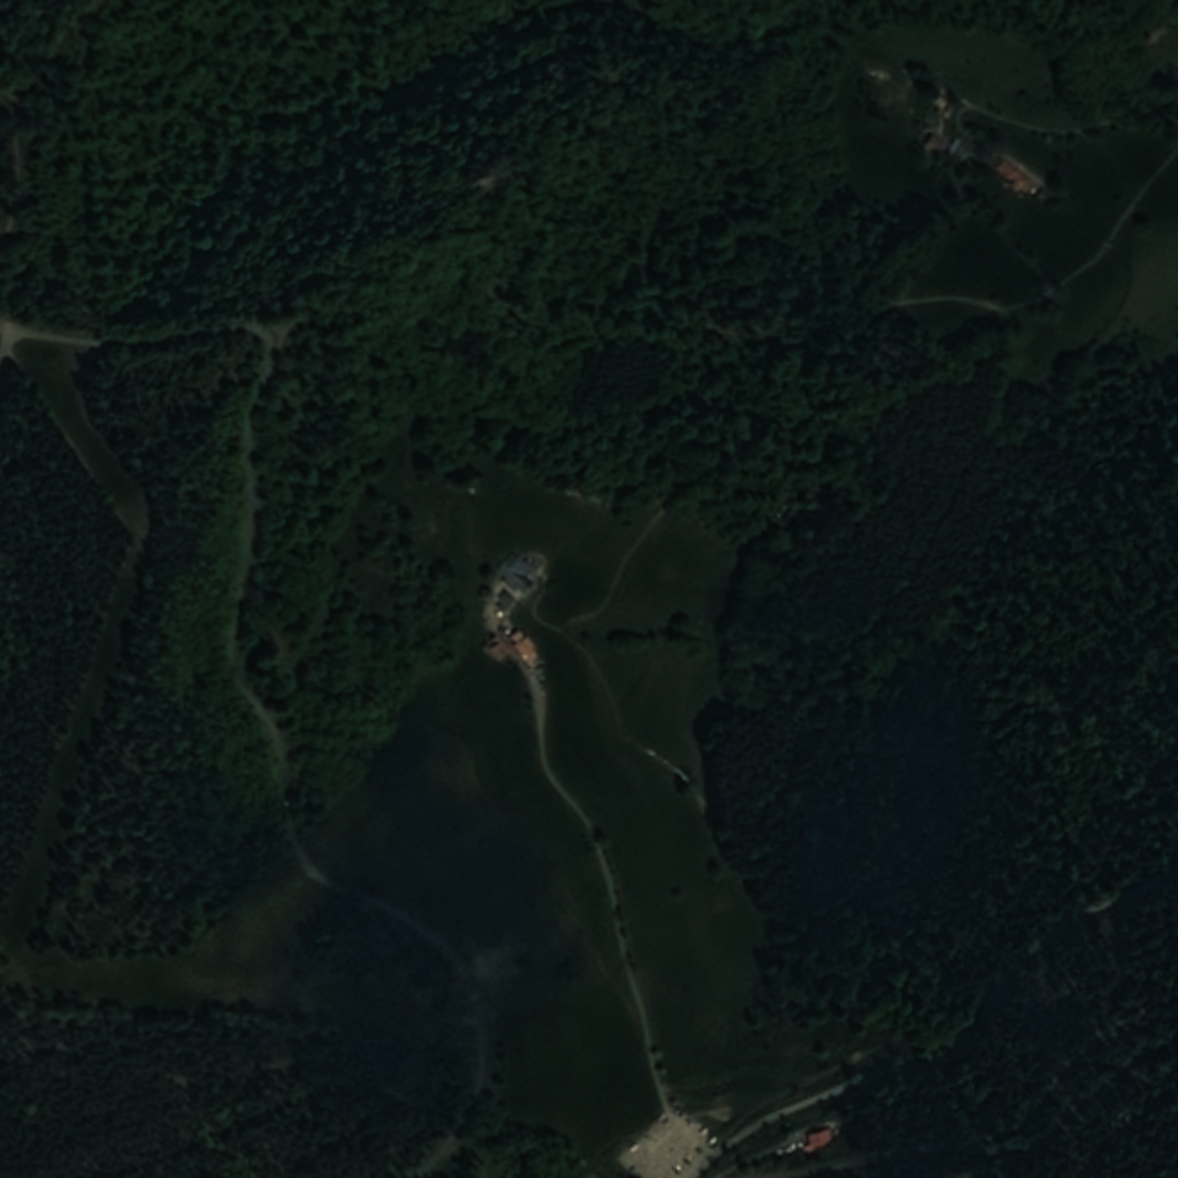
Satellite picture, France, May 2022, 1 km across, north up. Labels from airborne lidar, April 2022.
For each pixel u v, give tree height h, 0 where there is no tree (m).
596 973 0
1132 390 42
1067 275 0
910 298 0
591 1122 0
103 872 29
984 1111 27
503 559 0
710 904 0
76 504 22
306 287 18
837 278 26
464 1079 8
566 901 0
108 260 7
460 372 28
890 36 0
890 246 24
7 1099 25
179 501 19
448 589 19
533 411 31
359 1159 30
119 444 24
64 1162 22
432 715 0
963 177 11
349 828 0
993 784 35
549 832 0
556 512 0
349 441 27
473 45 16
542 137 20
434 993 0
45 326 13
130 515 0
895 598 33
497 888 0
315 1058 24
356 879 0
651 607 0
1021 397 29
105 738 19
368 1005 0
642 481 22
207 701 22
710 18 30
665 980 0
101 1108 22
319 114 27
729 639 24
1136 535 44
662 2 32
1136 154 0
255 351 13
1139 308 0
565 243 32
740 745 33
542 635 0
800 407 12
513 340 34
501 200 29
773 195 22
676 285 23
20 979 0
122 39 23
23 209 15
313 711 20
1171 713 33
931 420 30
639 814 0
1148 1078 14
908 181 0
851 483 27
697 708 0
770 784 34
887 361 34
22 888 0
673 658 0
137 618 17
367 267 11
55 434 19
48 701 22
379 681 24
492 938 0
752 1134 0
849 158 0
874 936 35
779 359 36
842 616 32
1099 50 26
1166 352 0
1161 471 44
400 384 30
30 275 20
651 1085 0
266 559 11
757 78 29
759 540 14
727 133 26
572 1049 0
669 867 0
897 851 35
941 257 0
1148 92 29
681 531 0
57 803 0
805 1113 0
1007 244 0
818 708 34
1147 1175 21
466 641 0
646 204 16
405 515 16
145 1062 23
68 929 0
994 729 11
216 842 27
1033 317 18
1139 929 24
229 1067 24
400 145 21
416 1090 26
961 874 13
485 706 0
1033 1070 18
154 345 10
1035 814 30
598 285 9
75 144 7
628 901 0
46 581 20
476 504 0
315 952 27
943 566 32
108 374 9
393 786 0
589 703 0
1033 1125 16
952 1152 14
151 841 26
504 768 0
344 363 24
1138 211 0
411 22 31
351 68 37
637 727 0
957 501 34
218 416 19
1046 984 24
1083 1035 21
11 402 27
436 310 24
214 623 24
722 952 0
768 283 29
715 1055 0
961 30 30
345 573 8
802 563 28
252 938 0
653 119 32
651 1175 0
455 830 0
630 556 0
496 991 0
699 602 0
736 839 33
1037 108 0
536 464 25
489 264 29
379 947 29
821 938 36
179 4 19
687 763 0
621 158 22
